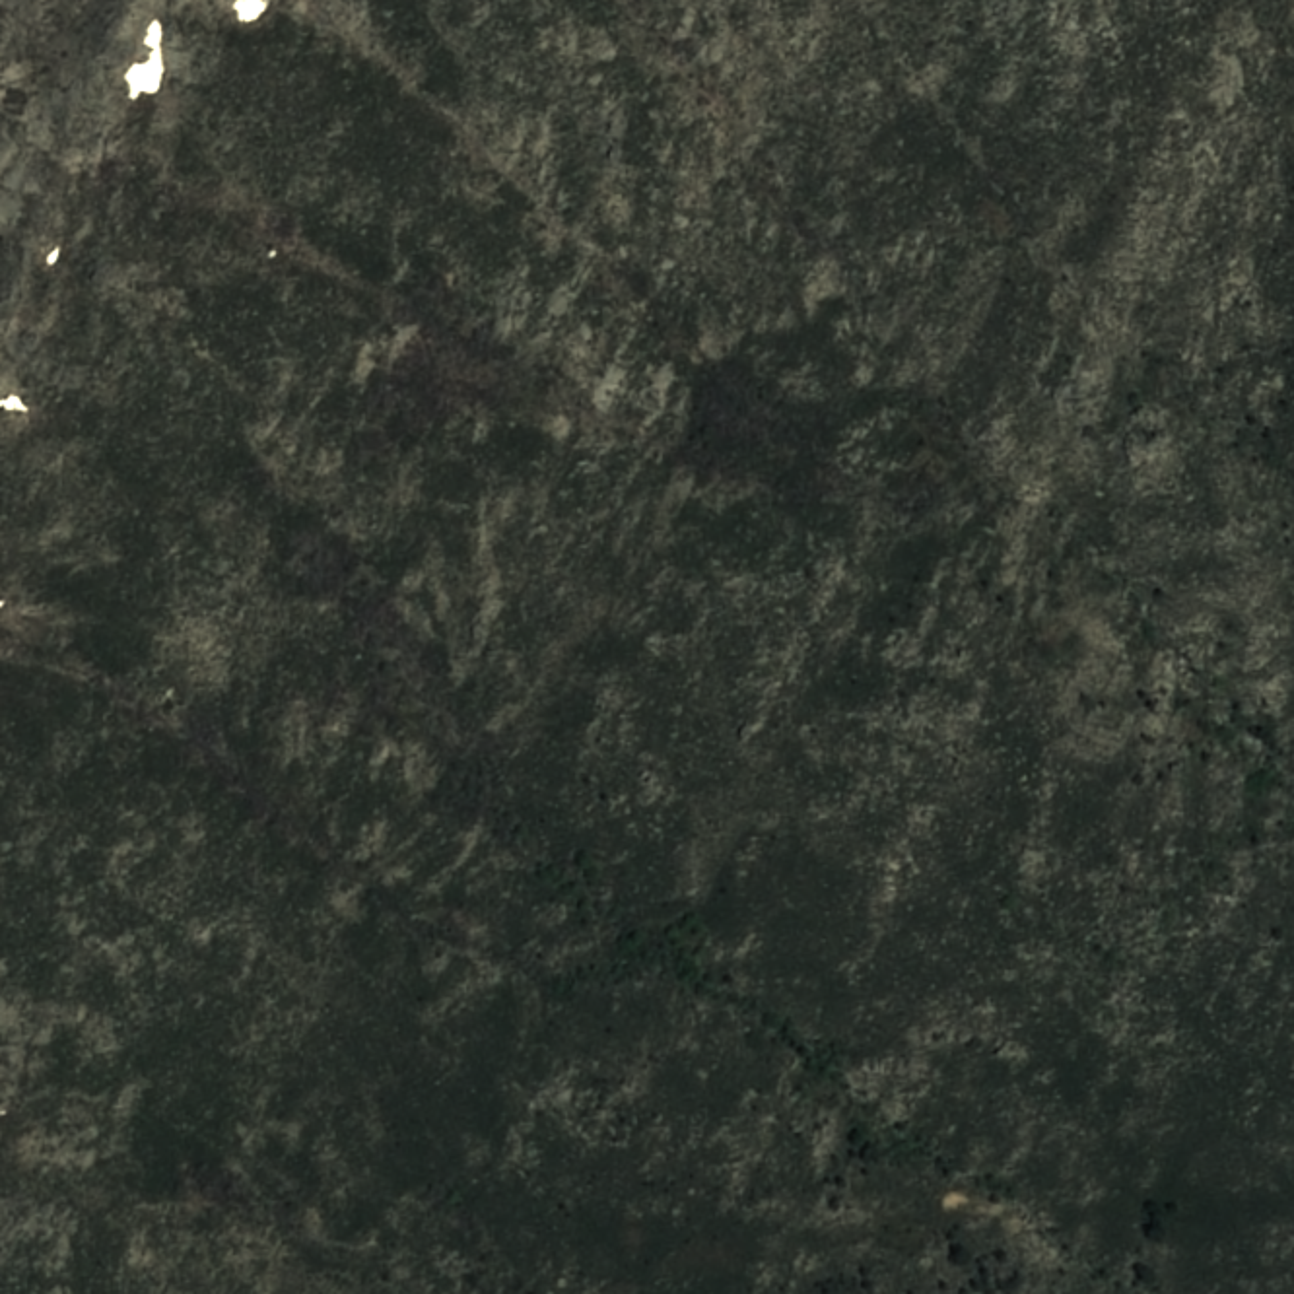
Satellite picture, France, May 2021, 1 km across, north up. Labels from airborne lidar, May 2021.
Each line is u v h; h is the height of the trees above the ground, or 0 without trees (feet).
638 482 0
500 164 0
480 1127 0
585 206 0
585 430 0
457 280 0
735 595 0
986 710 0
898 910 0
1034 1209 0
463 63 0
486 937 0
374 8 0
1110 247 0
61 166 0
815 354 0
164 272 0
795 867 0
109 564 0
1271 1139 0
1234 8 0
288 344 0
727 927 0
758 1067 0
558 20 0
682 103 0
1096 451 0
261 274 0
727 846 0
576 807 0
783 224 0
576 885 42
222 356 0
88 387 0
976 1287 50
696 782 0
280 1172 0
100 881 0
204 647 0
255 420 0
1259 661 0
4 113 0
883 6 0
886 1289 0
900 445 0
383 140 0
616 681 0
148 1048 0
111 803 0
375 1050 0
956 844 0
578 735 0
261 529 0
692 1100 0
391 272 0
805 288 0
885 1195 0
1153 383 0
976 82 0
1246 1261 0
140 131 0
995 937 0
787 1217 0
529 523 0
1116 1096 0
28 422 0
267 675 0
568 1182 0
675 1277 0
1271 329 0
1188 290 0
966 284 0
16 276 0
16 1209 0
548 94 0
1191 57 0
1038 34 0
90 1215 0
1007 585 0
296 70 0
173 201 0
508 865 0
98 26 0
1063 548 0
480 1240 30
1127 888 37
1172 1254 0
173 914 0
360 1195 0
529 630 0
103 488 0
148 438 0
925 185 0
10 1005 0
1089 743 0
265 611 0
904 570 0
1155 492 0
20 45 0
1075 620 0
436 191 0
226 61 0
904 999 0
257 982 0
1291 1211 0
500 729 0
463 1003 0
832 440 0
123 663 0
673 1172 0
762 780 0
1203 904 0
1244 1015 0
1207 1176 0
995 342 0
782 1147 0
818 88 0
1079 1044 0
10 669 0
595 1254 0
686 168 0
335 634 0
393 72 0
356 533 0
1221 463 0
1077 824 0
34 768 0
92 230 0
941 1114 0
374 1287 0
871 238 0
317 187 0
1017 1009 0
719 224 0
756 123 0
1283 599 0
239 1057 0
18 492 0
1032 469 0
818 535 0
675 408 0
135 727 0
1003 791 0
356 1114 0
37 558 0
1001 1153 0
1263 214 0
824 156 0
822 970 0
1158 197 0
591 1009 0
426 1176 0
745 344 0
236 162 0
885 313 21
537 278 0
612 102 0
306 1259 0
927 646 0
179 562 0
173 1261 0
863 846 0
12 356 0
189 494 0
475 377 27
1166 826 0
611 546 0
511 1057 0
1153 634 29
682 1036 0
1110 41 0
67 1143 0
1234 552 0
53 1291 0
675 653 0
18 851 0
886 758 0
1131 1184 0
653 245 0
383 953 0
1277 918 0
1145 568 0
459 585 0
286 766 0
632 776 0
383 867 0
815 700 0
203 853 0
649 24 0
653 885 0
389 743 0
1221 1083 0
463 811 20
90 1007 0
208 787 0
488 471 0
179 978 0
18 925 0
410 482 0
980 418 0
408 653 33
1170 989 0
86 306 0
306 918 0
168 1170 0
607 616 0
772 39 0
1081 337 0
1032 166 0
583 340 0
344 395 0
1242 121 0
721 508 0
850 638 0
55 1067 0
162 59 0
